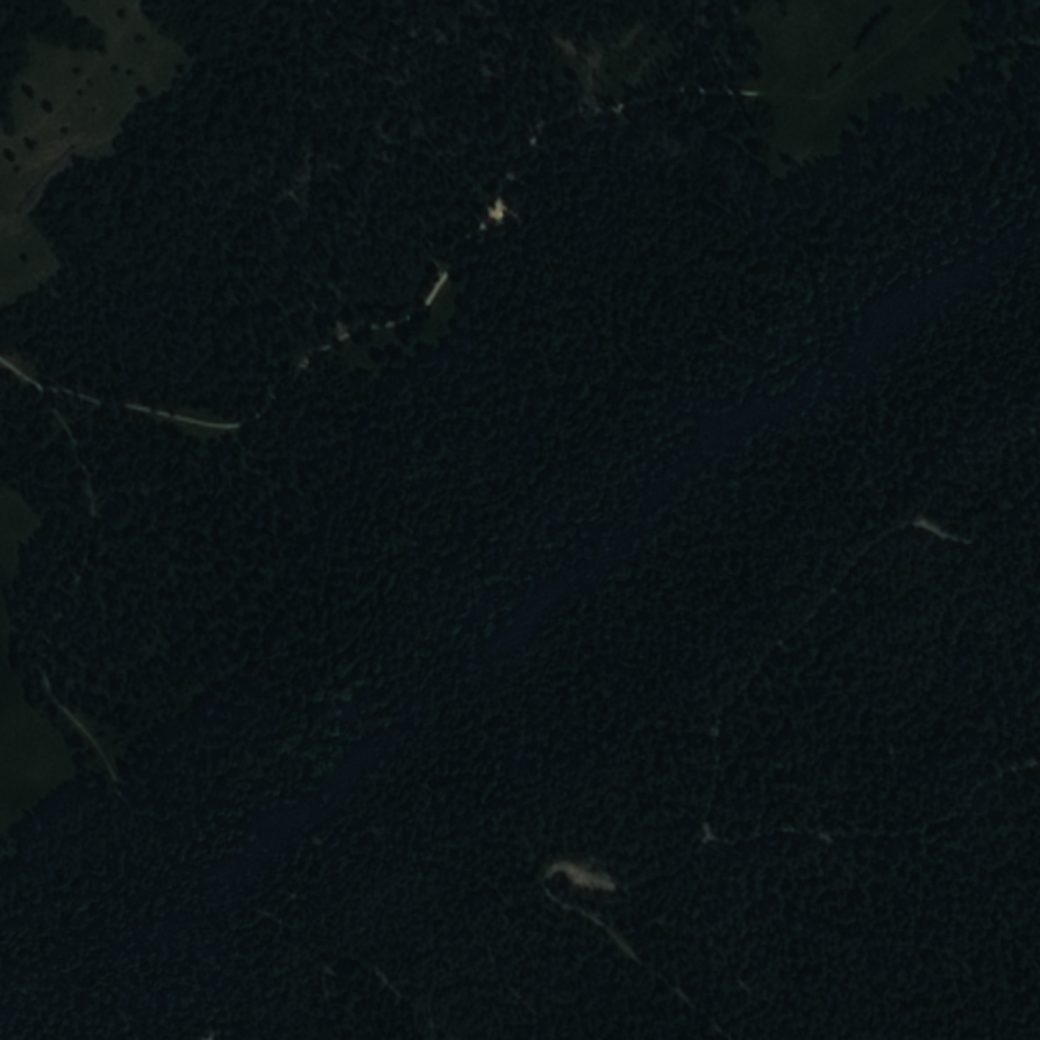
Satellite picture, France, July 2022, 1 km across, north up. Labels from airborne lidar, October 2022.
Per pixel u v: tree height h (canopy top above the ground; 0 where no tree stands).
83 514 24
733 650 12
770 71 0
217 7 13
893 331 21
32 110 0
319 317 17
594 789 11
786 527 26
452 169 14
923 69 0
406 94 20
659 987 28
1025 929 13
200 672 33
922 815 12
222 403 23
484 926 23
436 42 19
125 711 20
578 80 30
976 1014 20
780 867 22
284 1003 18
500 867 23
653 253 19
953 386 22
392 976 25
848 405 19
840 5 0
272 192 21
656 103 20
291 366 12
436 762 22
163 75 0
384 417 29
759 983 20
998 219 31
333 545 25
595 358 23
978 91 7
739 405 24
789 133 0
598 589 20
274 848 21
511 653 17
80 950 26
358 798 18
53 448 11
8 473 18
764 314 22
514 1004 24
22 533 0
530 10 26
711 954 24
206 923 25
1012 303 19
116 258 14
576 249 22
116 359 7
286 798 30
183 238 19
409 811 17
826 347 23
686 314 23
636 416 24
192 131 17
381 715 30
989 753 23
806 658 21
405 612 18
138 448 21
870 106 0
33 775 0
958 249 24
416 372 33
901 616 20
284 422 18
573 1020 20
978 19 8
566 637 20
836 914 26
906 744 21
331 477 18
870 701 26
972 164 32
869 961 9
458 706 19
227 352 29
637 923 23
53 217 16
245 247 15
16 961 23
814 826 15
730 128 23
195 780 10
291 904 26
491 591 21
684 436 27
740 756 23
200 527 25
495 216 0
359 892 21
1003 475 32
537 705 20
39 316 15
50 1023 22
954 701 21
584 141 28
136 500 13
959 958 8
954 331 23
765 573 14
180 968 21
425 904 28
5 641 0
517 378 24
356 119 21
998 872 26
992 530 12
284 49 22
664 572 21
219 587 21
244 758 23
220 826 24
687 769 16
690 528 19
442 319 0
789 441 19
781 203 32
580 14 26
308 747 23
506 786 24
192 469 32
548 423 22
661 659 17
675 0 22
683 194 25
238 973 15
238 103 8
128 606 24
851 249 37
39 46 0
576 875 0
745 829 26
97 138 0
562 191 23
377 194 29
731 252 27
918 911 19
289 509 29
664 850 9
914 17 0
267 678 26
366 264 26
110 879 20
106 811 36
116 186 18
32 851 28
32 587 18
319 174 7
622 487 28
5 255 0
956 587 15
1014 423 17
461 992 17
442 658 25
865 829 12
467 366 19
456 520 24
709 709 10
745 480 24
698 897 18
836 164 14
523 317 24
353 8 25
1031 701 28
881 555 10
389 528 26
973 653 22
